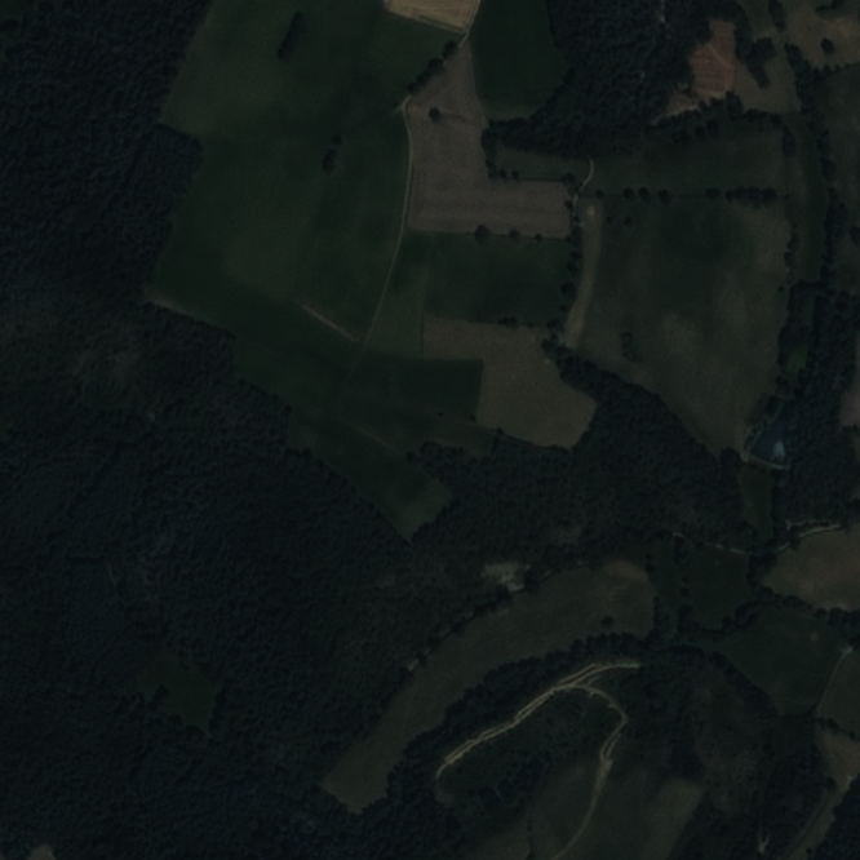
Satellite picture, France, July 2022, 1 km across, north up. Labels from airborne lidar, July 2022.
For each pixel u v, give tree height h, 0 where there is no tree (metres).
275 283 0
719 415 0
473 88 0
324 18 0
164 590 26
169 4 10
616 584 0
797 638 0
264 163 0
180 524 10
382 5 0
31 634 21
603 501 8
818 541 0
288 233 0
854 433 12
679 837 0
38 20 16
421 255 0
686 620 20
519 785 11
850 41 0
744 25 24
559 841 0
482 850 0
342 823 26
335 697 11
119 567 12
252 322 0
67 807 20
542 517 11
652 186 0
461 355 0
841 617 20
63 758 17
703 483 11
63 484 14
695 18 15
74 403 19
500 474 10
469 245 0
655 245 0
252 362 0
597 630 0
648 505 12
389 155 0
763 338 0
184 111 0
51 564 27
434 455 8
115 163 18
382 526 18
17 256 9
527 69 0
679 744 6
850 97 0
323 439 0
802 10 0
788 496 15
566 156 14
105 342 9
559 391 0
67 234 13
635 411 17
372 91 0
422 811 28
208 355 15
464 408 0
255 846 22
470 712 17
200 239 0
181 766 23
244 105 0
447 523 15
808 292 19
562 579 0
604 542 15
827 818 0
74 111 8
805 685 0
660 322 0
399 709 0
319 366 0
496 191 0
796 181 0
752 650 0
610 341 0
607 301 0
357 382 0
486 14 0
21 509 11
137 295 18
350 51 0
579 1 21
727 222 0
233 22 0
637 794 0
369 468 0
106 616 29
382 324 0
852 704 0
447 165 0
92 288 15
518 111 0
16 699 19
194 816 32
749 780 7
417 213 0
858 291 0
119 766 18
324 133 0
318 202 0
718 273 0
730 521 9
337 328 0
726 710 0
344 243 0
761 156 0
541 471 8
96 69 10
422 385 0
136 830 18
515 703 20
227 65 0
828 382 14
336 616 19
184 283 0
